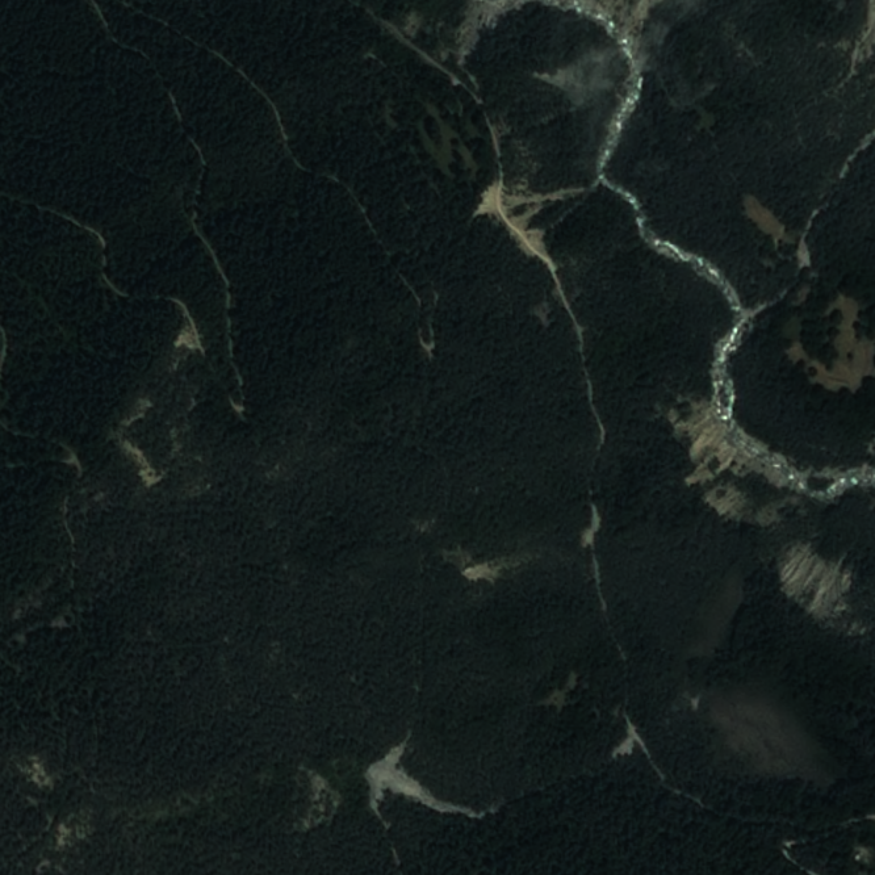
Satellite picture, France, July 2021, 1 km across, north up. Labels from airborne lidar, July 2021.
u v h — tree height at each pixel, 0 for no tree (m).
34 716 25
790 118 8
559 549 7
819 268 10
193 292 14
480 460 9
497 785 12
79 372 9
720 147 12
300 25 28
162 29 18
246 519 13
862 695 10
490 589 5
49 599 10
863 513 6
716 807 9
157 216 13
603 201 13
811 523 6
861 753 16
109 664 11
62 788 12
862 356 0
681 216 7
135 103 23
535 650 10
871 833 8
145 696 12
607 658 9
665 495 19
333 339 17
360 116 12
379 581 6
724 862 11
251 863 11
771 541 8
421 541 11
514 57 13
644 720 11
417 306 9
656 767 10
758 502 6
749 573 10
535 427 15
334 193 20
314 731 6
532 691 12
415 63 14
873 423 7
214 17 24
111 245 14
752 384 11
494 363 12
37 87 24
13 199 7
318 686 9
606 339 11
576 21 11
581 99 8
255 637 12
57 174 21
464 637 12
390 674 11
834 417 15
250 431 15
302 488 9
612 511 14
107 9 23
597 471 12
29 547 15
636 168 10
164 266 29
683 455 12
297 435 9
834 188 10
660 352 13
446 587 9
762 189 8
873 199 8
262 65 23
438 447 11
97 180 24
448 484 6
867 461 7
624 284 12
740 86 10
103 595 14
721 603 0
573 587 9
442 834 8
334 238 17
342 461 13
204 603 8
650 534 15
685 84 13
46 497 15
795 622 7
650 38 9
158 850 8
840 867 11
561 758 18
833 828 7
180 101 20
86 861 7
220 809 8
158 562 16
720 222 11
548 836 20
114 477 12
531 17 14
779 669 10
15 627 18
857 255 11
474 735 10
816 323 11
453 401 12
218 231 25
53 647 17
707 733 6
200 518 7
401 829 6
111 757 12
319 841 7
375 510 14
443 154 0
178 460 7
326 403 13
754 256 11
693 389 8
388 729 9
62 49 22
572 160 8
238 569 10
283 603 9
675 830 20
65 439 11
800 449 6
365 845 11
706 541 14
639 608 10
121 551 10
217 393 17
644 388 13
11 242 20
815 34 13
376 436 10
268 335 24
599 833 16
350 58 23
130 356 23
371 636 7
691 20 13
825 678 17
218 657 8
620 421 14
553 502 13
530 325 17
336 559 13
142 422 13
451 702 14
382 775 0
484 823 11
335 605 6
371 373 22
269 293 18
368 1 16
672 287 12
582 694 9
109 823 7
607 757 15
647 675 11
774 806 14
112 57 24
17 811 7
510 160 9
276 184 13
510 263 12
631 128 5
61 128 17
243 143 14
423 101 11
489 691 8
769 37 10
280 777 8
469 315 15
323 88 14
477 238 26
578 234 14
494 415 15
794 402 14
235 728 14
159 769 10
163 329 14
